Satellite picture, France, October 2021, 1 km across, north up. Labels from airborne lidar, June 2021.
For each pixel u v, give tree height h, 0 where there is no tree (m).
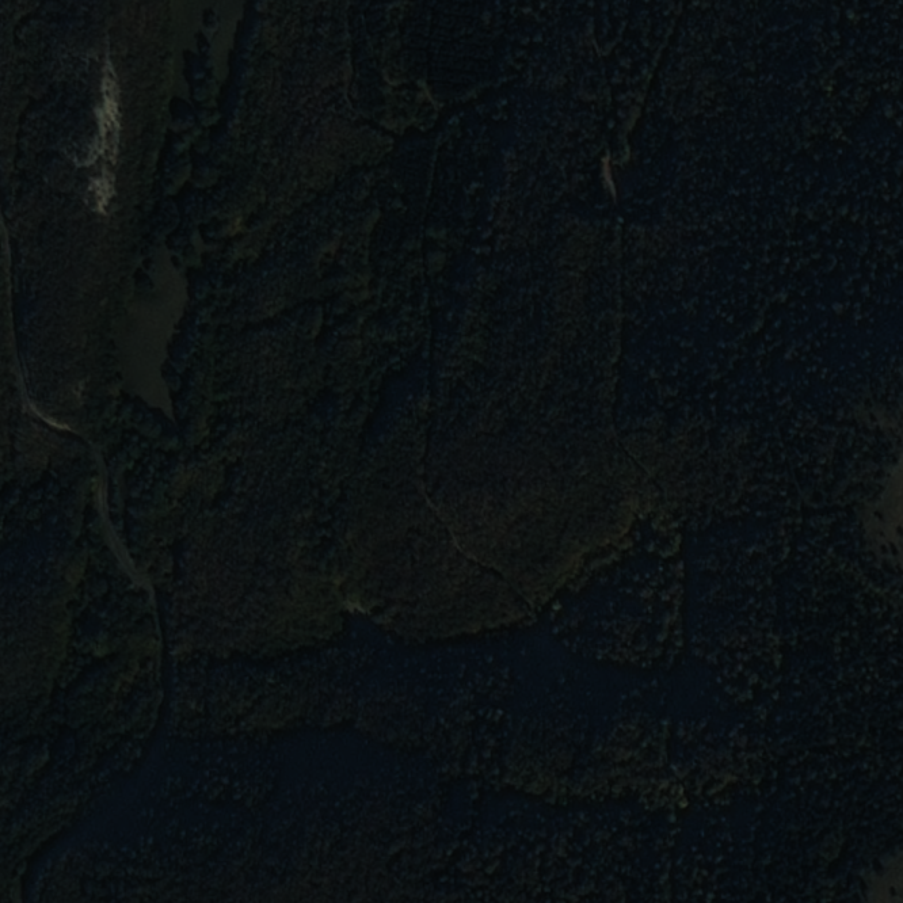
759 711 17
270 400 26
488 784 25
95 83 7
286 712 24
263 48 28
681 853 15
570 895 29
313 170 25
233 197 30
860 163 16
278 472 28
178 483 26
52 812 24
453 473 18
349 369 25
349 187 28
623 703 20
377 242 16
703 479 20
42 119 17
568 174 22
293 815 21
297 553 23
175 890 25
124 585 11
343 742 21
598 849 24
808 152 14
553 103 23
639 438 19
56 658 28
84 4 13
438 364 24
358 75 10
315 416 29
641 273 18
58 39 6
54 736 20
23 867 8
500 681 28
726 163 13
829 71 17
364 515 24
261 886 14
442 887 21
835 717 7
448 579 15
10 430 20
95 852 20
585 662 17
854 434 8
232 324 18
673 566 25
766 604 23
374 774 22
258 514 23
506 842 22
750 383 21
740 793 17
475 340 28
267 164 27
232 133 26
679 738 16
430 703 19
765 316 22
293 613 30
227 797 22
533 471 14
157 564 27
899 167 18
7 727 34
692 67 16
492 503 10
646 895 14
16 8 26
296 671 30
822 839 17
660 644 15
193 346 27
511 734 23
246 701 25
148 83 23
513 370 21
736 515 16
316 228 32
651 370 25
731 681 19
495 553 18
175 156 18
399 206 19
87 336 10
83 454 25
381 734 24
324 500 27
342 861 24
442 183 16
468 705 15
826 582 11
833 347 15
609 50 13
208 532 22
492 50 14
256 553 18
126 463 22
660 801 23
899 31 20
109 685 23
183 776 25
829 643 15
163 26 19
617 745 26
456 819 17
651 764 17
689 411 21
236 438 24
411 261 14
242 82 29
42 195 17
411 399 24
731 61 24
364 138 23
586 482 18
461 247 11
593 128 18
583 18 16
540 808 21
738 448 17
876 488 9
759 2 11
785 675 19
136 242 26
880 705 17
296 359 26
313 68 22
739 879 22
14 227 19
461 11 14
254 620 8
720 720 23
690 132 14
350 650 27
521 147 22
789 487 17
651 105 6
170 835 22
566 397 20
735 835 11
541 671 14
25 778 26
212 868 21
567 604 8
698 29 19
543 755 30
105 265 13
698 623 22
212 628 15
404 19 7
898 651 12
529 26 10
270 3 20
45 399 10
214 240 20
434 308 8
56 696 30
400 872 23
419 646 22
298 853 24
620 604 15
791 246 12
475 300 27
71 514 18
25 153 19
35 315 18
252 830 29
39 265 14
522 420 22
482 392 25
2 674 13
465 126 20
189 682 17
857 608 11
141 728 21
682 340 23
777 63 12
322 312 17
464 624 20
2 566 26
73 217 14
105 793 26
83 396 7
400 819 24
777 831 19
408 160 16
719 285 13
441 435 23
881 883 0
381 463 28
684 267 18
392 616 20
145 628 22
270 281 25
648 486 23
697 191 11
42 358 15
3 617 16
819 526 12
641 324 24
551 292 22
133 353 0
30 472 20
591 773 22
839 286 13
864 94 16
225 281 12
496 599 24
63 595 23
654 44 23
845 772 17
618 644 21
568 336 20
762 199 14
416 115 14
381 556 21
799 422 16
